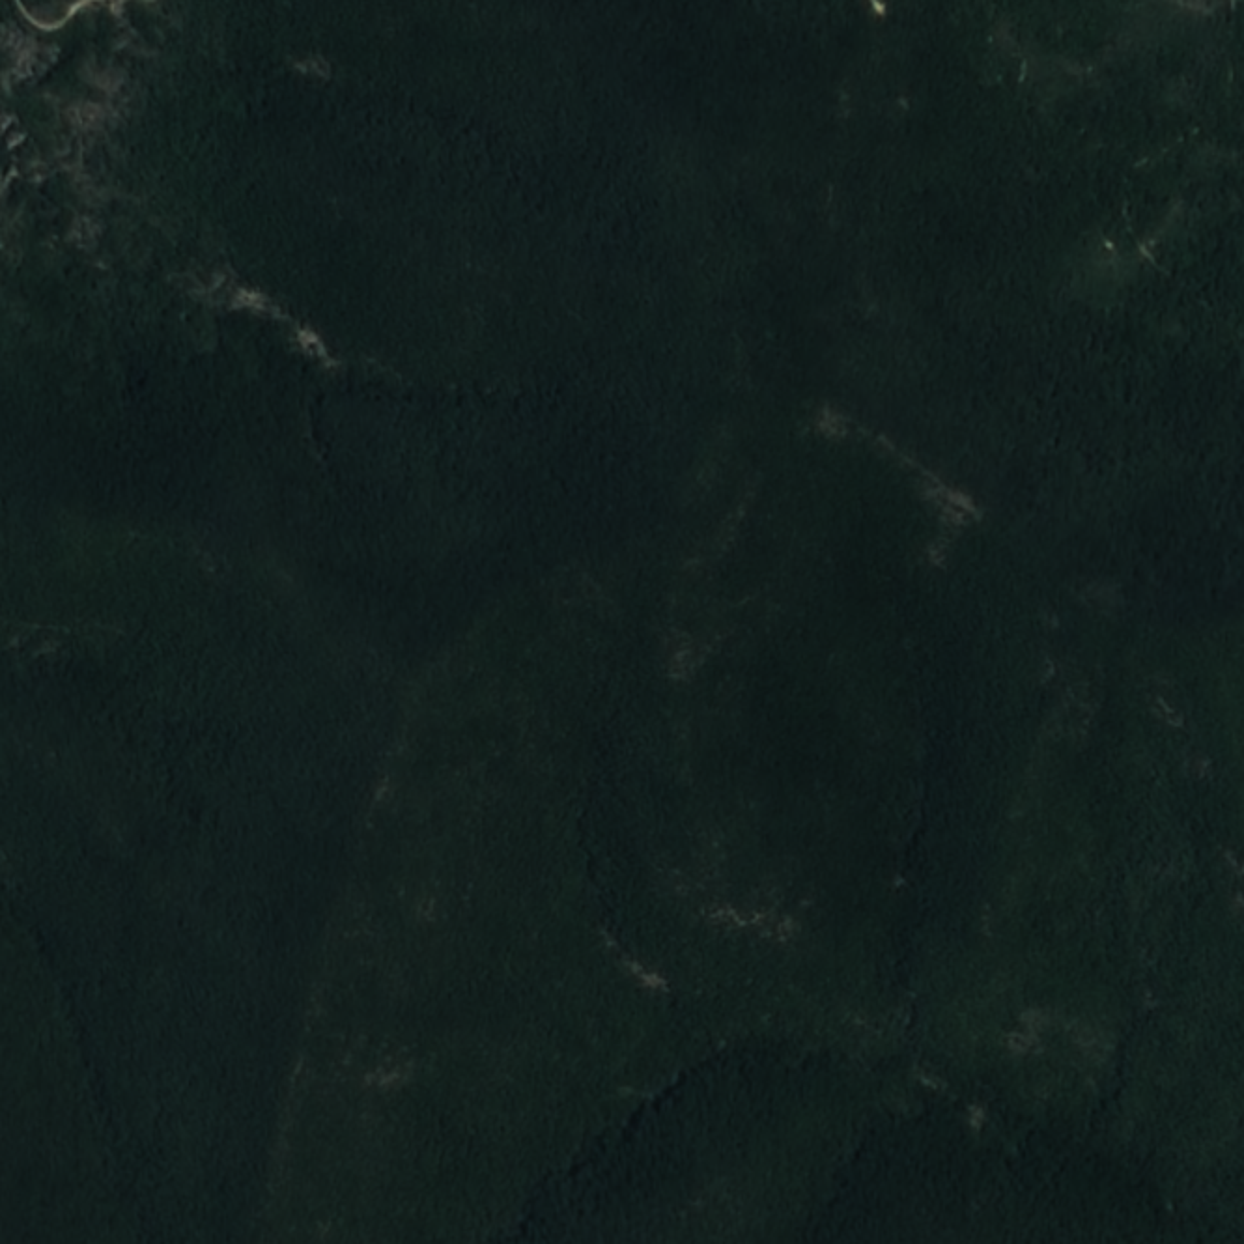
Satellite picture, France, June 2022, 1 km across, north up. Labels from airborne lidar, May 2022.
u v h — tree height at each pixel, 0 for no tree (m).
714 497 7
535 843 10
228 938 7
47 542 7
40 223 7
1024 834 7
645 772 6
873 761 6
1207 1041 6
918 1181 12
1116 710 12
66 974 8
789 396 8
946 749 10
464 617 7
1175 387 13
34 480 6
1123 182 9
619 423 12
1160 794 6
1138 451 16
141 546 8
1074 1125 11
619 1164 12
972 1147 12
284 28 6
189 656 8
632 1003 9
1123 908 7
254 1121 9
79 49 10
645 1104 13
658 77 11
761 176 9
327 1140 6
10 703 6
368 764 6
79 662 8
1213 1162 8
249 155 9
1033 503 11
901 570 9
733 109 11
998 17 6
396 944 7
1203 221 7
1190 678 8
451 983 10
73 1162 8
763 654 9
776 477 6
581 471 11
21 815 8
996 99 11
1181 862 6
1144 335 8
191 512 6
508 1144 11
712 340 10
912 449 5
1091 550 10
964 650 10
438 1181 8
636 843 7
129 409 12
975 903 7
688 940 10
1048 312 13
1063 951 10
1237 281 8
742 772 9
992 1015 6
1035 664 7
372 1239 6
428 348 8
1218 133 11
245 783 9
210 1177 10
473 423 13
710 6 13
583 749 10
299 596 7
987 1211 10
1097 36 7
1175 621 8
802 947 5
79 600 8
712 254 7
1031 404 13
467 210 10
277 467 9
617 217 12
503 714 7
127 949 9
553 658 8
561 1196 15
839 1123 11
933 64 8
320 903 6
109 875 6
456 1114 10
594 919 11
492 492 10
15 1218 7
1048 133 9
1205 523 15
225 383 11
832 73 9
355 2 7
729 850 7
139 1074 10
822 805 6
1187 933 7
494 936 9
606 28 11
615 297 6
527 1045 7
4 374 8
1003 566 11
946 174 11
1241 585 10
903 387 9
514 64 7
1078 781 9
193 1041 8
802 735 12
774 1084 12
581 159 9
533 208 14
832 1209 13
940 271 12
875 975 8
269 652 7
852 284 8
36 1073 9
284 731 10
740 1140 10
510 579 6
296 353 13
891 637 6
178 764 9
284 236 9
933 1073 8
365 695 6
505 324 6
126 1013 9
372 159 8
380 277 8
